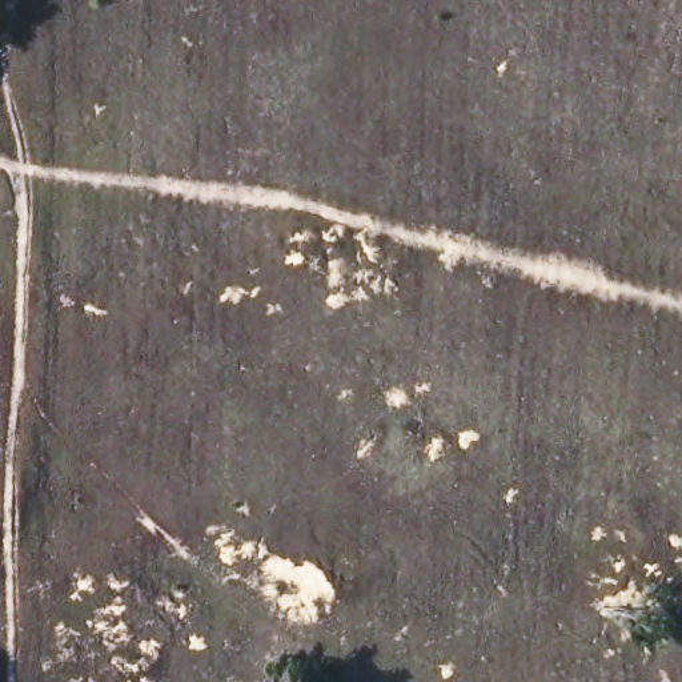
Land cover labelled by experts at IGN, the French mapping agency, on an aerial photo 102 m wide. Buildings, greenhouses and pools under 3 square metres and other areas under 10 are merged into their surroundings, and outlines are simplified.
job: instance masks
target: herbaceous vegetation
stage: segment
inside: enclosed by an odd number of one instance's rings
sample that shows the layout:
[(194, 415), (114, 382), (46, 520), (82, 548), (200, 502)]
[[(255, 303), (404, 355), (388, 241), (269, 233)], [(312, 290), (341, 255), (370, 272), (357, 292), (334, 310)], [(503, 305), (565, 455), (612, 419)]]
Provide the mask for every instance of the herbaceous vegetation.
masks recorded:
[(178, 181), (202, 184), (245, 184), (288, 192), (304, 200), (333, 205), (338, 210), (365, 213), (376, 221), (392, 221), (416, 232), (466, 234), (490, 248), (514, 250), (533, 258), (565, 256), (567, 261), (599, 266), (607, 280), (682, 296), (682, 0), (0, 0), (0, 83), (11, 83), (13, 101), (19, 107), (19, 120), (27, 128), (32, 165), (155, 178), (168, 176)]
[(13, 160), (16, 147), (0, 88), (0, 155)]
[[(328, 264), (357, 256), (360, 245), (354, 240), (354, 226), (293, 208), (256, 208), (216, 200), (202, 202), (184, 200), (178, 194), (160, 194), (155, 189), (91, 186), (51, 178), (32, 181), (24, 392), (19, 402), (19, 445), (13, 461), (19, 482), (16, 647), (8, 655), (3, 490), (13, 386), (19, 216), (13, 181), (5, 171), (0, 171), (0, 682), (682, 682), (682, 605), (669, 605), (663, 610), (666, 631), (671, 634), (671, 639), (661, 639), (650, 647), (642, 647), (631, 639), (626, 642), (618, 637), (618, 626), (613, 623), (613, 618), (599, 615), (597, 602), (626, 591), (631, 583), (642, 597), (650, 597), (653, 589), (658, 589), (658, 583), (682, 581), (682, 312), (650, 306), (634, 298), (599, 298), (570, 288), (546, 288), (517, 269), (498, 269), (485, 261), (458, 258), (453, 266), (445, 266), (440, 250), (434, 248), (416, 248), (392, 240), (389, 234), (376, 234), (376, 250), (397, 261), (392, 274), (392, 293), (376, 293), (365, 301), (333, 309), (328, 306)], [(157, 533), (149, 533), (141, 525), (141, 517), (152, 517), (155, 525), (181, 538), (181, 543), (192, 554), (197, 554), (197, 562), (186, 565), (181, 557), (176, 557), (173, 549)], [(224, 562), (216, 549), (216, 541), (208, 535), (208, 525), (224, 525), (245, 543), (264, 543), (280, 559), (290, 559), (293, 565), (314, 565), (317, 570), (322, 570), (322, 575), (333, 586), (330, 613), (317, 615), (314, 623), (293, 623), (288, 621), (288, 613), (280, 605), (272, 605), (261, 591), (253, 591), (248, 583), (221, 583)], [(165, 599), (173, 591), (186, 594), (184, 618), (171, 615), (157, 605), (160, 597)], [(88, 621), (99, 607), (107, 607), (115, 599), (123, 599), (125, 610), (120, 615), (107, 615), (104, 623), (125, 623), (128, 642), (123, 642), (115, 650), (107, 650), (104, 637), (96, 629), (91, 629)], [(59, 661), (56, 623), (77, 629), (77, 637), (67, 637), (67, 647), (72, 650), (69, 661)], [(112, 669), (112, 658), (139, 661), (139, 647), (147, 639), (157, 642), (157, 658), (149, 669)]]

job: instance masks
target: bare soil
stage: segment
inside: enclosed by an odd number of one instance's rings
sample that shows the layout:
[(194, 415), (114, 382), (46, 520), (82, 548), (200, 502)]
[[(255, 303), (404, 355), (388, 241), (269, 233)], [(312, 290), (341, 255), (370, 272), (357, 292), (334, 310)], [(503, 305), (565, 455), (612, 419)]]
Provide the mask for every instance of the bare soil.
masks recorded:
[(112, 658), (112, 669), (149, 669), (157, 658), (157, 642), (147, 639), (139, 647), (139, 661)]
[(661, 607), (650, 597), (642, 597), (631, 583), (626, 591), (597, 602), (599, 615), (613, 618), (613, 623), (618, 626), (618, 637), (626, 642), (631, 639), (629, 621), (637, 621), (642, 615), (642, 607)]
[(173, 591), (165, 599), (160, 597), (157, 605), (171, 615), (184, 618), (186, 594)]
[(322, 575), (322, 570), (317, 570), (314, 565), (293, 565), (290, 559), (280, 559), (264, 543), (245, 543), (224, 525), (208, 525), (208, 535), (216, 541), (216, 549), (224, 562), (221, 583), (248, 583), (253, 591), (261, 591), (272, 605), (280, 605), (288, 613), (288, 621), (293, 623), (314, 623), (317, 615), (330, 613), (333, 586)]
[(77, 629), (56, 623), (59, 661), (69, 661), (72, 650), (67, 647), (67, 637), (77, 637)]
[(376, 293), (392, 293), (392, 274), (397, 261), (376, 250), (376, 234), (362, 226), (354, 226), (354, 240), (360, 245), (357, 256), (328, 264), (328, 306), (333, 309), (365, 301)]
[(96, 629), (104, 637), (107, 650), (115, 650), (123, 642), (128, 642), (125, 623), (104, 623), (107, 615), (120, 615), (125, 610), (123, 599), (115, 599), (107, 607), (99, 607), (88, 621), (91, 629)]

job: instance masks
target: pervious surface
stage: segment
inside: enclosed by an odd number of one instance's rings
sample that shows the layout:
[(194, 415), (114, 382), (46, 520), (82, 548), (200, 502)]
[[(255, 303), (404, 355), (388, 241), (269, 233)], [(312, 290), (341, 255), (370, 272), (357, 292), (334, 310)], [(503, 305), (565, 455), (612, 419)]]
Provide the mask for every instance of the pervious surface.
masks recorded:
[(304, 200), (288, 192), (245, 184), (202, 184), (178, 181), (168, 176), (155, 178), (32, 165), (27, 128), (19, 120), (19, 107), (13, 101), (11, 83), (0, 83), (0, 88), (16, 147), (13, 160), (0, 155), (0, 171), (5, 171), (13, 181), (19, 216), (13, 386), (3, 490), (8, 655), (16, 647), (19, 482), (13, 461), (19, 445), (19, 402), (24, 392), (32, 181), (51, 178), (91, 186), (155, 189), (160, 194), (178, 194), (184, 200), (202, 202), (216, 200), (256, 208), (293, 208), (354, 226), (362, 226), (376, 234), (389, 234), (392, 240), (416, 248), (434, 248), (440, 250), (445, 266), (453, 266), (458, 258), (485, 261), (498, 269), (517, 269), (546, 288), (570, 288), (599, 298), (634, 298), (650, 306), (682, 312), (682, 296), (607, 280), (599, 266), (567, 261), (565, 256), (533, 258), (514, 250), (490, 248), (466, 234), (416, 232), (392, 221), (376, 221), (365, 213), (338, 210), (333, 205)]
[(141, 525), (149, 533), (157, 533), (173, 549), (176, 557), (181, 557), (186, 565), (197, 562), (197, 554), (192, 554), (181, 543), (181, 538), (155, 525), (152, 517), (141, 517)]

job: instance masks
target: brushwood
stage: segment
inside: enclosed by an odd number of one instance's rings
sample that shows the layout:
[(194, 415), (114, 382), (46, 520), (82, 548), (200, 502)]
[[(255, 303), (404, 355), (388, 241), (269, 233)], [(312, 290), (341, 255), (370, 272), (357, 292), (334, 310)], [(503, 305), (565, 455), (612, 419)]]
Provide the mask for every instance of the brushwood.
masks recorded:
[(631, 639), (642, 647), (650, 647), (661, 639), (671, 639), (671, 634), (666, 631), (663, 610), (669, 605), (682, 605), (682, 581), (658, 583), (658, 589), (653, 589), (650, 597), (661, 607), (642, 607), (642, 615), (637, 621), (629, 621)]

